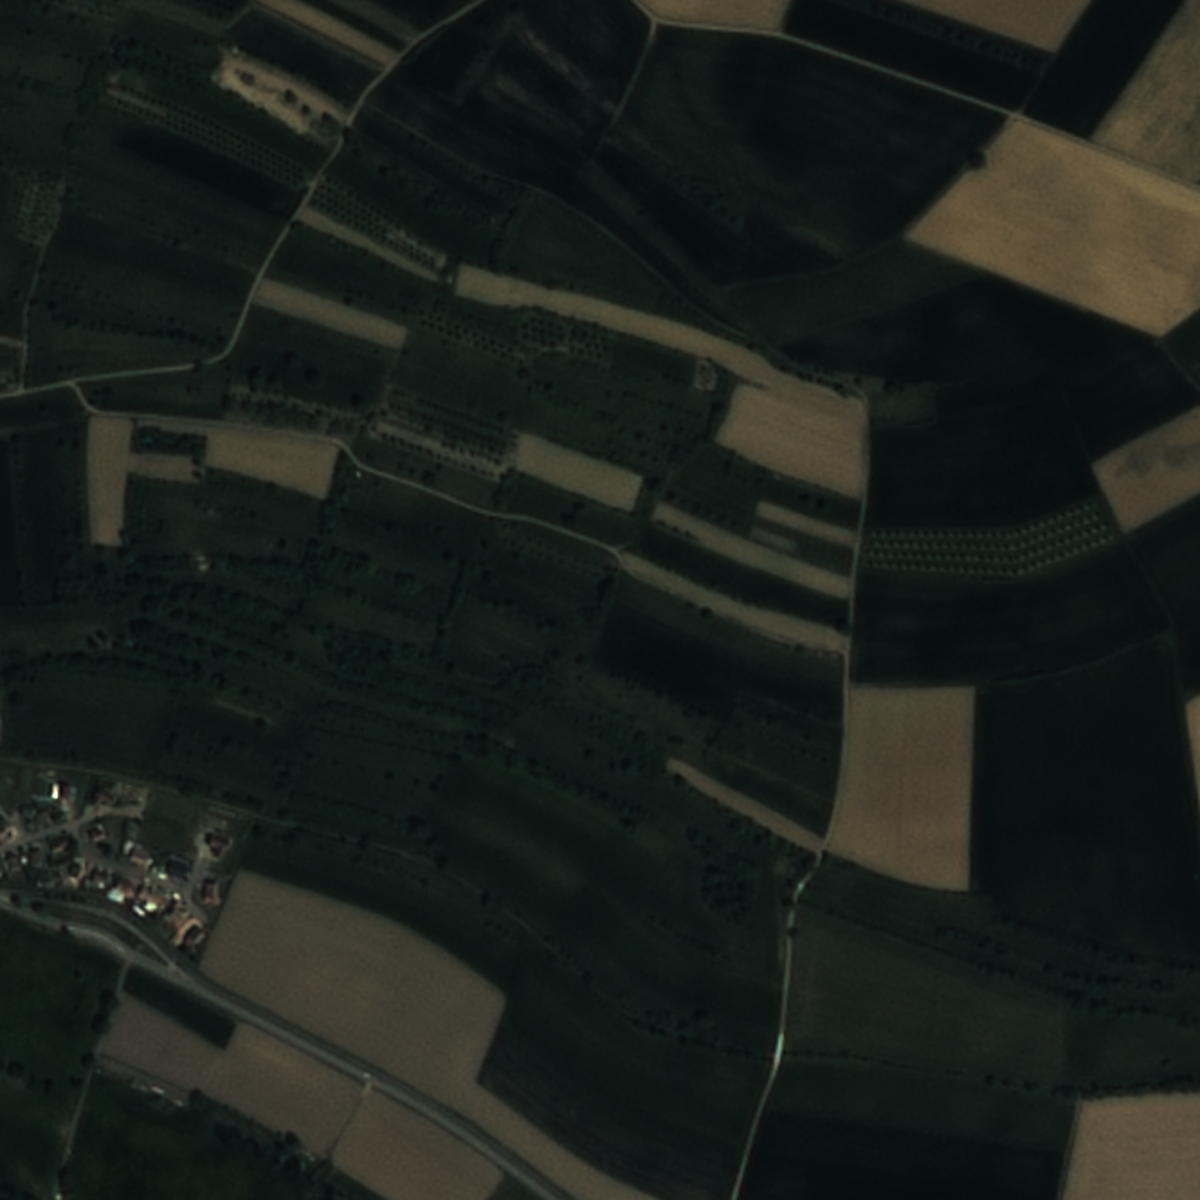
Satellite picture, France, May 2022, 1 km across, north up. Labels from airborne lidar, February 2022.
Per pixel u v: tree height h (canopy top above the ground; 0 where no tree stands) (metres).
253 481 0
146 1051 0
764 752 0
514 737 0
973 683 0
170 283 0
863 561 0
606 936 0
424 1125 0
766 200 0
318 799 5
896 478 0
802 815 0
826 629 0
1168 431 0
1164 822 0
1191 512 0
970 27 0
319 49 0
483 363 0
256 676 0
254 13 0
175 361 0
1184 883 0
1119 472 0
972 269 0
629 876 0
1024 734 0
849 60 0
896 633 0
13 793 0
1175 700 0
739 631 0
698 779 0
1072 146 0
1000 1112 0
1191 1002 0
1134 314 0
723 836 0
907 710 0
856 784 0
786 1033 0
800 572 0
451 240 0
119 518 0
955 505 0
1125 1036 0
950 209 0
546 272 0
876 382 0
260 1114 0
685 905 0
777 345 0
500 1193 0
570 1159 0
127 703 0
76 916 0
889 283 0
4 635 0
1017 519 0
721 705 0
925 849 0
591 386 0
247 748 8
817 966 0
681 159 0
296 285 0
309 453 0
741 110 0
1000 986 0
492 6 0
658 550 0
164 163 0
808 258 0
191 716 0
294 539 0
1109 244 0
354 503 0
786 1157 0
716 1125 0
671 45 0
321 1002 0
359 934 0
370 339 0
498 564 0
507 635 0
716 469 0
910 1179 0
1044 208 0
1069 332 0
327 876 0
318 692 0
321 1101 0
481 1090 0
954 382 0
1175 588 0
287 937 0
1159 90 0
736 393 0
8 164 7
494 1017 0
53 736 0
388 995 0
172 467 0
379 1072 0
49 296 0
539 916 0
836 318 0
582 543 0
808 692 0
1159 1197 0
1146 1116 0
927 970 0
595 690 0
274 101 0
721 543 0
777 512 0
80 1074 0
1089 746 0
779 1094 0
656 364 0
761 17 0
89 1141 0
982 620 0
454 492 0
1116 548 0
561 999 0
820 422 0
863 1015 0
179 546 0
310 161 0
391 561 0
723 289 0
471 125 0
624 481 0
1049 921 0
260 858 0
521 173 0
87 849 0
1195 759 0
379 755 0
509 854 0
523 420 0
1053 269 0
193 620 10
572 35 0
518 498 0
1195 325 0
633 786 0
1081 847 0
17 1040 0
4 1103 0
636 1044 0
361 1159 0
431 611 0
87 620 0
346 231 0
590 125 0
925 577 0
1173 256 0
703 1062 0
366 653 10
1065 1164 0
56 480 0
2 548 0
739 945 0
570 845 0
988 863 0
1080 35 0
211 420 0
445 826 0
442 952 0
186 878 6
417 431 0
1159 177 0
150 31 0
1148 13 0
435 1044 0
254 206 0
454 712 9
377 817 8
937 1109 0
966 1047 0
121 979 0
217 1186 0
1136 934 0
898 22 0
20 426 0
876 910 0
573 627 0
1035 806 0
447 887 0
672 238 0
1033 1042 0
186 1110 0
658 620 0
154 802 0
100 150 0
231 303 0
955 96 0
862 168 0
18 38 0
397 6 0
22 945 0
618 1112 0
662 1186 0
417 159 0
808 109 0
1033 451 0
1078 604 0
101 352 0
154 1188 0
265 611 13
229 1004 0
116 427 0
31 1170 0
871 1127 0
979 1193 0
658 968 0
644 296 0
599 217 0
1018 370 0
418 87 0
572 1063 0
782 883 0
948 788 0
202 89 7
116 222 0
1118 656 0
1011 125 0
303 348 0
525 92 0
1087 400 0
